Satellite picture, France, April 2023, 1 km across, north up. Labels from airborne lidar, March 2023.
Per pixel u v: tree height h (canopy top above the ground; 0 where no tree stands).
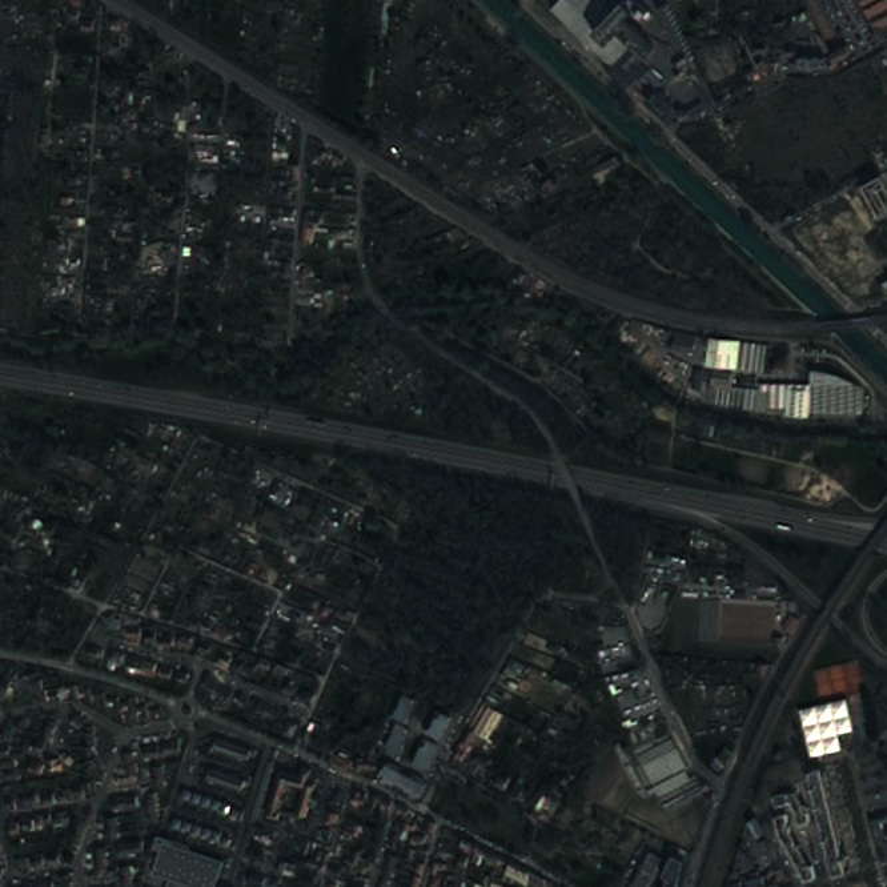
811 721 0
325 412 0
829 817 0
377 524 17
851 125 0
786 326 0
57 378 0
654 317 0
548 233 0
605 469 0
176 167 10
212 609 0
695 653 0
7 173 25
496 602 29
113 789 0
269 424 0
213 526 0
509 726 7
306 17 0
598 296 0
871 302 0
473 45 0
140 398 0
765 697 0
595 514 16
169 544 13
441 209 0
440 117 0
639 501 0
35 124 31
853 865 0
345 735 7
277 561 0
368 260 0
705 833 0
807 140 0
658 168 0
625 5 0
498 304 11
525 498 19
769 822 21
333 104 0
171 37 0
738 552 7
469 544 22
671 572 0
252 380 19
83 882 0
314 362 15
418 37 7
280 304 0
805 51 0
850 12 0
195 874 0
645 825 0
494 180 0
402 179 0
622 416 0
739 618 0
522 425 11
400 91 0
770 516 0
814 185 16
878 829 0
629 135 0
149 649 0
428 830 0
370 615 22
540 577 23
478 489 20
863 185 0
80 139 0
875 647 0
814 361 0
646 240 10
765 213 6
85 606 0
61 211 0
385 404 0
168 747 0
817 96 0
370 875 0
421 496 25
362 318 18
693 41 0
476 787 18
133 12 0
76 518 7
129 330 17
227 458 8
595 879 0
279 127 0
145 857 9
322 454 0
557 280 0
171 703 0
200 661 0
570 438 17
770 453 0
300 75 0
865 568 0
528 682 0
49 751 0
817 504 0
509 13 0
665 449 0
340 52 0
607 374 0
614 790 0
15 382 0
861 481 0
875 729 13
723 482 10
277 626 12
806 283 0
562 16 0
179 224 0
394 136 0
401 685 18
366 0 0
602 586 0
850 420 0
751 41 6
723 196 0
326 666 0
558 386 0
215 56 0
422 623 20
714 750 0
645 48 0
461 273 0
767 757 0
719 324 0
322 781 0
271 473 0
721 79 0
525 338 0
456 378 15
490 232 0
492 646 28
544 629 0
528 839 8
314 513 6
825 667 0
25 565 0
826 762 0
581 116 0
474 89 0
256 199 0
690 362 0
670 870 0
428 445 0
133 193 12
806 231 0
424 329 13
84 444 8
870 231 0
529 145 0
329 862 0
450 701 21
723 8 6
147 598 7
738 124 0
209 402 0
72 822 12
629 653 0
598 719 0
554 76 0
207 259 0
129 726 0
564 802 6
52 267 0
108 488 0
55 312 7
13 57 6
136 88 17
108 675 9
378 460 18
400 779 0
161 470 0
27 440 26
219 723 0
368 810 9
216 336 0
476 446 0
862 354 23
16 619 6
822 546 0
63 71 0
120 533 0
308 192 0
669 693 15
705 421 16
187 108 0
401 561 18
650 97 0
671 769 0
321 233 0
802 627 0
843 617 11
